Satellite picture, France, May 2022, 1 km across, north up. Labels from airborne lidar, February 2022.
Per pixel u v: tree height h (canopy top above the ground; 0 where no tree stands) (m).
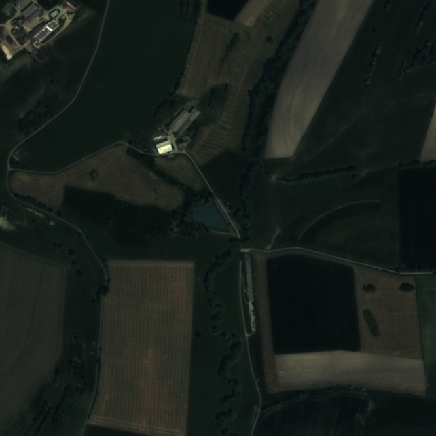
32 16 0
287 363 0
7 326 0
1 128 0
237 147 0
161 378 0
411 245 0
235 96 0
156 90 0
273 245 0
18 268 0
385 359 0
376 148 0
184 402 0
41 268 0
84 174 0
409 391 0
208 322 0
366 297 0
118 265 0
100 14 0
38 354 0
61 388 0
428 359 0
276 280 0
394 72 0
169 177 0
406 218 0
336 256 0
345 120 0
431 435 0
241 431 0
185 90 0
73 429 0
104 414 0
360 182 0
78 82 0
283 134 0
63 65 0
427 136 0
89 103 0
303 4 17
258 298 0
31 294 0
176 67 0
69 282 0
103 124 0
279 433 0
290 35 14
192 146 0
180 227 11
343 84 0
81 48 0
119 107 0
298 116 0
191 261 0
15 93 0
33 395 0
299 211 0
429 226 0
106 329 0
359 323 0
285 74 0
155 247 0
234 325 0
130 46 0
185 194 0
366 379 0
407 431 0
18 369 0
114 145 0
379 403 0
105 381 0
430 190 0
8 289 0
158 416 0
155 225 0
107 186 0
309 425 0
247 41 0
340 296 0
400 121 0
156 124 0
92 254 0
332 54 0
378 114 0
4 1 0
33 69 0
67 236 0
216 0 0
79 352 10
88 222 0
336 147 0
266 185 0
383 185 0
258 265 0
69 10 0
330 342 0
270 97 0
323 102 0
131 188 0
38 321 0
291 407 0
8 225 0
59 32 0
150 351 0
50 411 9
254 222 0
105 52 0
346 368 0
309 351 0
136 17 0
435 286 0
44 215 0
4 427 0
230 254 17
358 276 0
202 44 0
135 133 0
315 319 0
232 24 0
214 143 0
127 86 0
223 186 0
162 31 0
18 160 0
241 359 0
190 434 0
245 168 0
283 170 0
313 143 0
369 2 0
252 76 0
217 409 0
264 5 0
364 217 0
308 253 0
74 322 0
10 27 0
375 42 0
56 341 0
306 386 0
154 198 0
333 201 0
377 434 0
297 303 0
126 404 0
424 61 13
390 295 0
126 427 0
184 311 0
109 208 0
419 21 6
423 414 0
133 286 0
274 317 0
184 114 0
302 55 0
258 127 0
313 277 0
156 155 0
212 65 0
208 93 0
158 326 0
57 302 0
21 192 0
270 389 0
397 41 0
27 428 0
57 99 0
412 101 0
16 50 0
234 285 0
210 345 0
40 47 0
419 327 0
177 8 0
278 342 0
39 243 0
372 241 0
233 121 0
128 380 0
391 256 0
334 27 0
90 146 0
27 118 12
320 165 0
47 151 0
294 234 0
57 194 0
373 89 0
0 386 0
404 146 0
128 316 0
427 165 8
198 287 0
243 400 0
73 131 0
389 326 0
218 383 0
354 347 0
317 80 0
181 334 0
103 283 0
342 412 0
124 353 0
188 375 0
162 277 0
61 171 0
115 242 0
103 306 0
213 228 0
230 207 14
